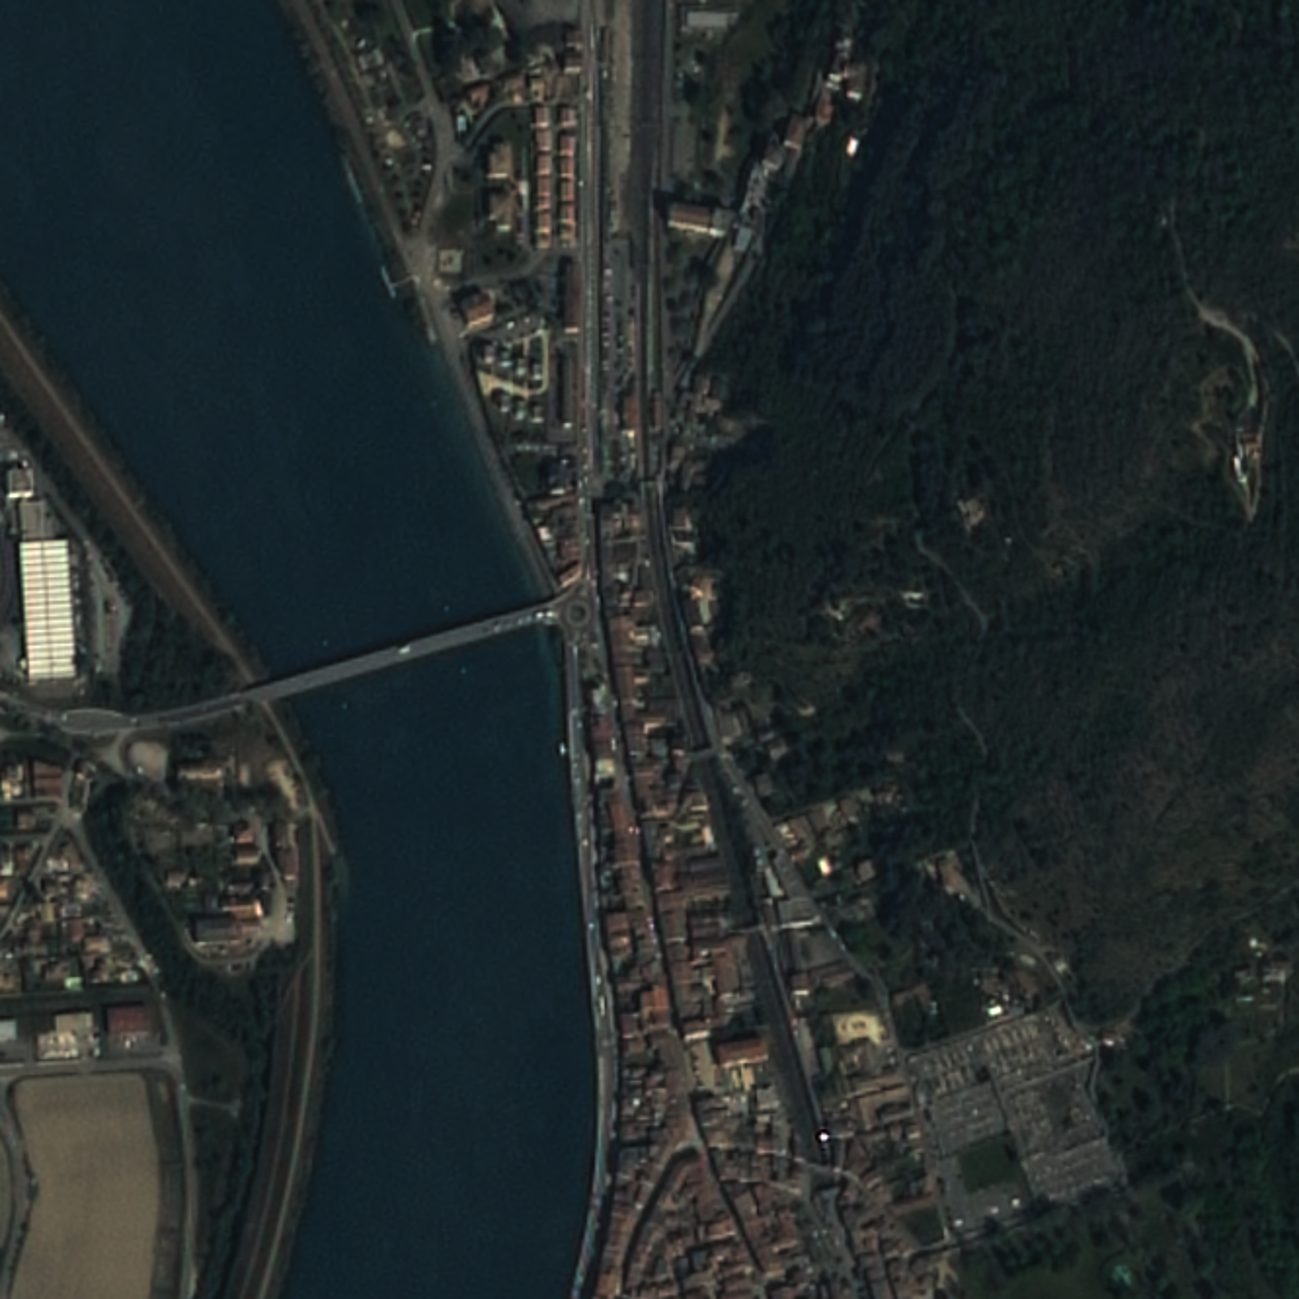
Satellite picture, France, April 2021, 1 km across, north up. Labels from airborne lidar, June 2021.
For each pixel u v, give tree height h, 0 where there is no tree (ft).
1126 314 32
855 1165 0
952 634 40
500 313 31
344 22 36
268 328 0
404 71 41
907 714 42
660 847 0
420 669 0
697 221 0
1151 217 28
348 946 0
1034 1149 0
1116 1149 19
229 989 33
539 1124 0
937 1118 0
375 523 0
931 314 86
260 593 0
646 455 0
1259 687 22
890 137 67
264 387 0
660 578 0
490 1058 0
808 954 33
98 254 0
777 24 18
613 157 0
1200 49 44
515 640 0
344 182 0
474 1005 0
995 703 28
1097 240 40
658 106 0
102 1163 0
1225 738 33
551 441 0
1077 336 29
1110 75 39
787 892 0
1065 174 37
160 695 53
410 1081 0
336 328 0
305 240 0
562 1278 0
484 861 0
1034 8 49
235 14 0
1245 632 26
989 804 35
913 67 38
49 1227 0
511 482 80
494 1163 0
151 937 44
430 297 0
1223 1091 0
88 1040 0
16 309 18
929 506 45
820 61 39
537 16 0
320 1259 0
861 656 23
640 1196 0
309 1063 0
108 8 0
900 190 51
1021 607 29
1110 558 38
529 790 0
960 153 67
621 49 0
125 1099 0
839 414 22
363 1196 0
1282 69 39
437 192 0
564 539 0
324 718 0
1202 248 20
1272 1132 54
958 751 38
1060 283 33
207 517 0
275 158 0
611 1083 0
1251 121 20
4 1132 0
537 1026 0
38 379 0
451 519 0
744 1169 0
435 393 0
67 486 38
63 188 0
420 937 0
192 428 0
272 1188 0
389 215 0
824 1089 38
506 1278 0
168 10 0
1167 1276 64
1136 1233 19
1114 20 60
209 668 57
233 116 0
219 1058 0
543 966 0
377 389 0
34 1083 0
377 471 0
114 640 0
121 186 0
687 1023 0
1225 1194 31
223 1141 0
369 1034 0
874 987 28
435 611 0
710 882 0
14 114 0
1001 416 26
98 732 0
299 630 0
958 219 32
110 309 0
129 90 0
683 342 28
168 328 0
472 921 0
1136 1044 54
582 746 0
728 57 23
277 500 0
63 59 0
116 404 0
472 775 0
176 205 0
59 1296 0
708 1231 0
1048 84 49
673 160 0
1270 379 27
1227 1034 80
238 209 0
